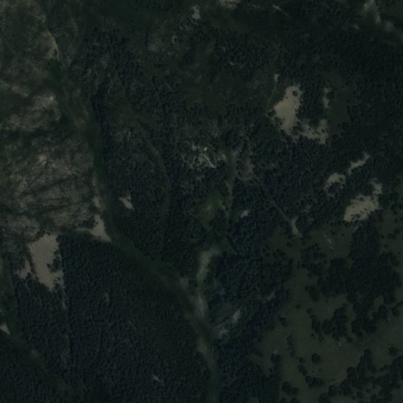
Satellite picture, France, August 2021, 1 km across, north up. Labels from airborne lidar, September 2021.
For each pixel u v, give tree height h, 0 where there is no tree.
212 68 7
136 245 16
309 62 11
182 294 0
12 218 0
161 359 24
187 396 17
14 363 15
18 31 0
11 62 0
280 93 0
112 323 26
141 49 0
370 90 11
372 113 14
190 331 19
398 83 8
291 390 15
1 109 0
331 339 0
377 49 13
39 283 7
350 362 0
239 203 20
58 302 18
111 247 9
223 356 10
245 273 13
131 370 22
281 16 8
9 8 0
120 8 0
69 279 23
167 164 17
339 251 0
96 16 0
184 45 0
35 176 0
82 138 0
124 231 13
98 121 7
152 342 8
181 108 24
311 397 0
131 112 0
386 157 14
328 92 7
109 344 26
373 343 0
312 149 16
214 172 34
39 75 0
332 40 7
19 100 0
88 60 6
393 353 20
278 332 0
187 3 0
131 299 11
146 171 17
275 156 34
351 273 19
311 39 8
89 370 18
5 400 7
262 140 29
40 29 0
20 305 21
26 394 16
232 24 0
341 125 7
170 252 19
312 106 16
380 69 8
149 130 12
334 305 0
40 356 7
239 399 20
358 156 15
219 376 0
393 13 0
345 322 21
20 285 21
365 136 13
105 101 7
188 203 39
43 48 0
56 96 0
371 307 16
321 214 20
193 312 0
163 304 13
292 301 0
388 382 15
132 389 19
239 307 9
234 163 0
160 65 12
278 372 15
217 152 19
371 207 0
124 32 0
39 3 0
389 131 11
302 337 0
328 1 6
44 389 26
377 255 11
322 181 17
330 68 12
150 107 13
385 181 15
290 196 19
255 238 26
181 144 12
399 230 13
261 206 6
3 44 0
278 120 14
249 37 16
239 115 25
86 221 6
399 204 11
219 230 15
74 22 0
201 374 15
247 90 0
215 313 14
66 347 34
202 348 0
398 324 0
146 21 0
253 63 19
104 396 18
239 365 12
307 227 9
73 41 0
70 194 0
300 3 7
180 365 16
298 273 0
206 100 0
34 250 0
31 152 0
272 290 9
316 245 10
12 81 0
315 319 15
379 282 17
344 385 17
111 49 28
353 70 10
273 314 28
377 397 14
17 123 0
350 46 10
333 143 10
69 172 0
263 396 21
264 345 0
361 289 18
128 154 9
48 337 18
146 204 15
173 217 12
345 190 16
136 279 10
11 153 0
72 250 15
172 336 21
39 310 21
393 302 14
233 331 20
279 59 8
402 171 15
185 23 7
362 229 17
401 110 10
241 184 22
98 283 27
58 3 0
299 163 21
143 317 16
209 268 11
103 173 0
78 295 18
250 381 23
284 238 0
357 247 16
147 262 0
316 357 16
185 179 31
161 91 18
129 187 18
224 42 10
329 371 0
